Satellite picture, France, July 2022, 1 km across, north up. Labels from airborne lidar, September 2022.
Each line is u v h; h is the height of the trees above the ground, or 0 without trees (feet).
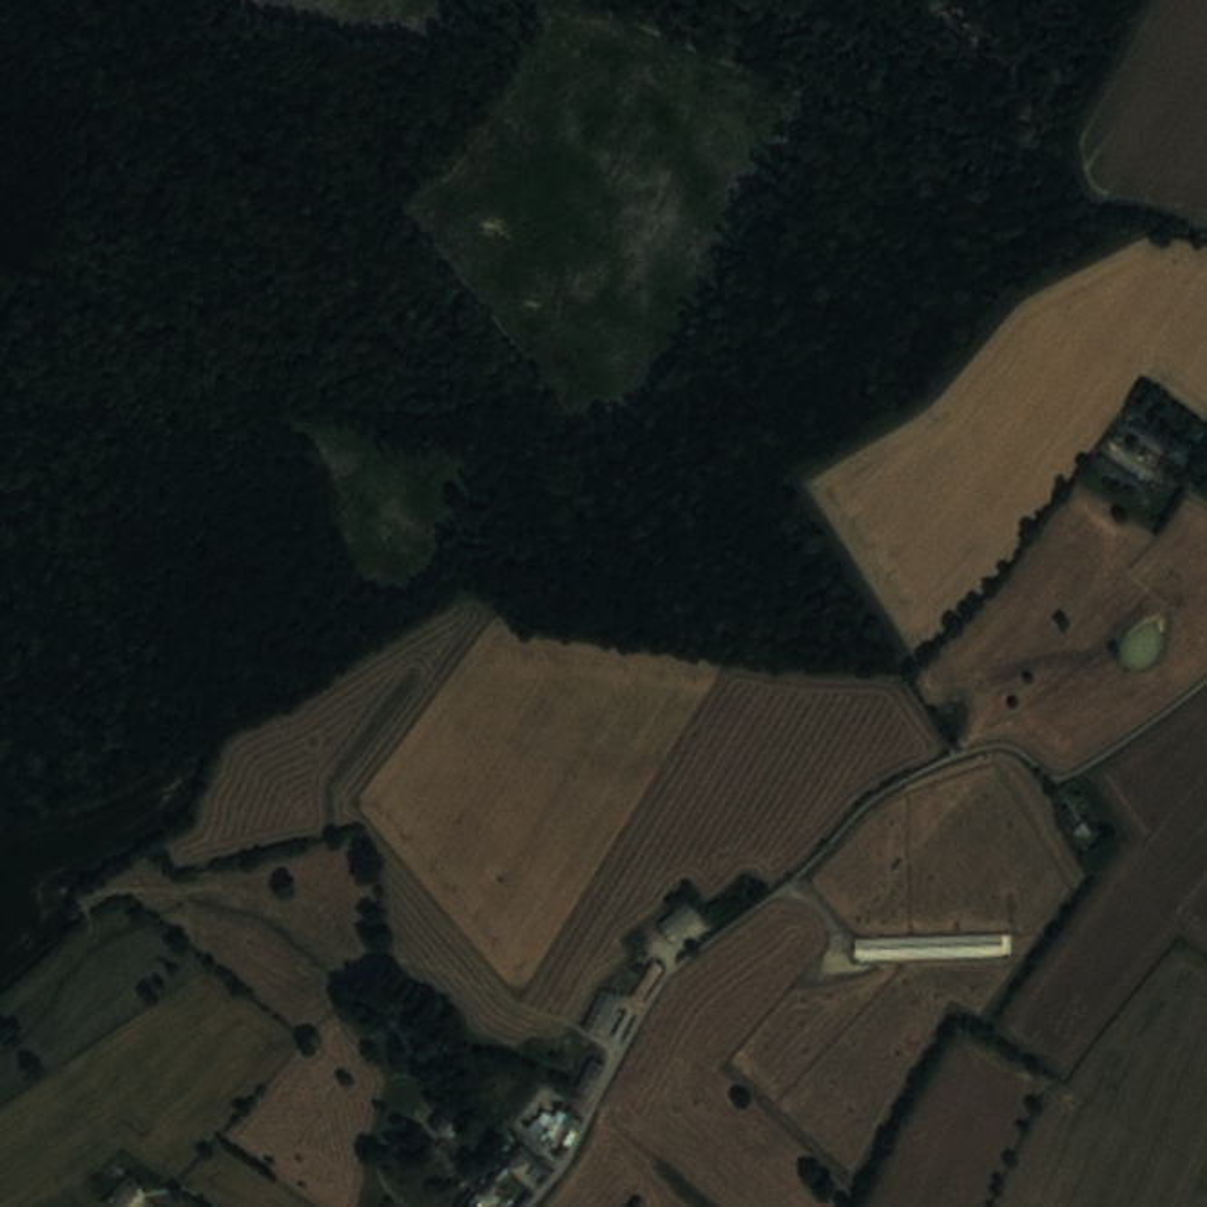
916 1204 0
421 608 62
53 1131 0
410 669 0
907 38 70
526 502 67
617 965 0
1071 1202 0
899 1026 0
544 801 0
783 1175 0
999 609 0
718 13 73
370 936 77
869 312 72
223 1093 0
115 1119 0
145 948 0
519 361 74
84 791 80
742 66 80
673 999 0
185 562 65
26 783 64
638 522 80
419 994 57
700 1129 0
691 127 0
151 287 66
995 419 0
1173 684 0
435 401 65
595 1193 0
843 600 72
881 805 0
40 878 0
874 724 0
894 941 0
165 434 58
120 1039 0
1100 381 0
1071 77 75
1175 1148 0
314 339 64
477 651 0
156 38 72
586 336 0
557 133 0
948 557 0
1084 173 0
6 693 57
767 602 71
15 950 0
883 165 68
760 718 0
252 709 65
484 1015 0
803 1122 0
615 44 0
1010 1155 33
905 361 79
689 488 72
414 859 0
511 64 81
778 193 78
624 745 0
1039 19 72
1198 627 0
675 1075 0
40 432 70
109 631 73
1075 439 0
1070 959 0
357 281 63
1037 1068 45
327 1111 0
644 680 0
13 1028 47
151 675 64
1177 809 0
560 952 0
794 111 0
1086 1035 0
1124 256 0
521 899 0
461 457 73
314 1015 0
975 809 0
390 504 0
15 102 62
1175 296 0
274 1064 0
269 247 75
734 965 0
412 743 0
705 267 0
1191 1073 0
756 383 73
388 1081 0
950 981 0
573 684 0
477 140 0
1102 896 0
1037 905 0
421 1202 0
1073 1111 0
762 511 75
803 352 72
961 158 70
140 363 68
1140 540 0
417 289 70
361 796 0
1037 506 0
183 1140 0
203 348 67
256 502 64
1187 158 0
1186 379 0
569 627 54
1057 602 0
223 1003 0
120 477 63
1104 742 0
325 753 0
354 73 75
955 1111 0
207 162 76
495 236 0
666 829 0
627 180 0
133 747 67
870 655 70
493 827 0
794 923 0
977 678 0
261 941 0
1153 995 0
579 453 70
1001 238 59
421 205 0
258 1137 0
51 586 59
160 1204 0
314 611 73
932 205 76
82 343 76
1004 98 67
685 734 0
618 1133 0
